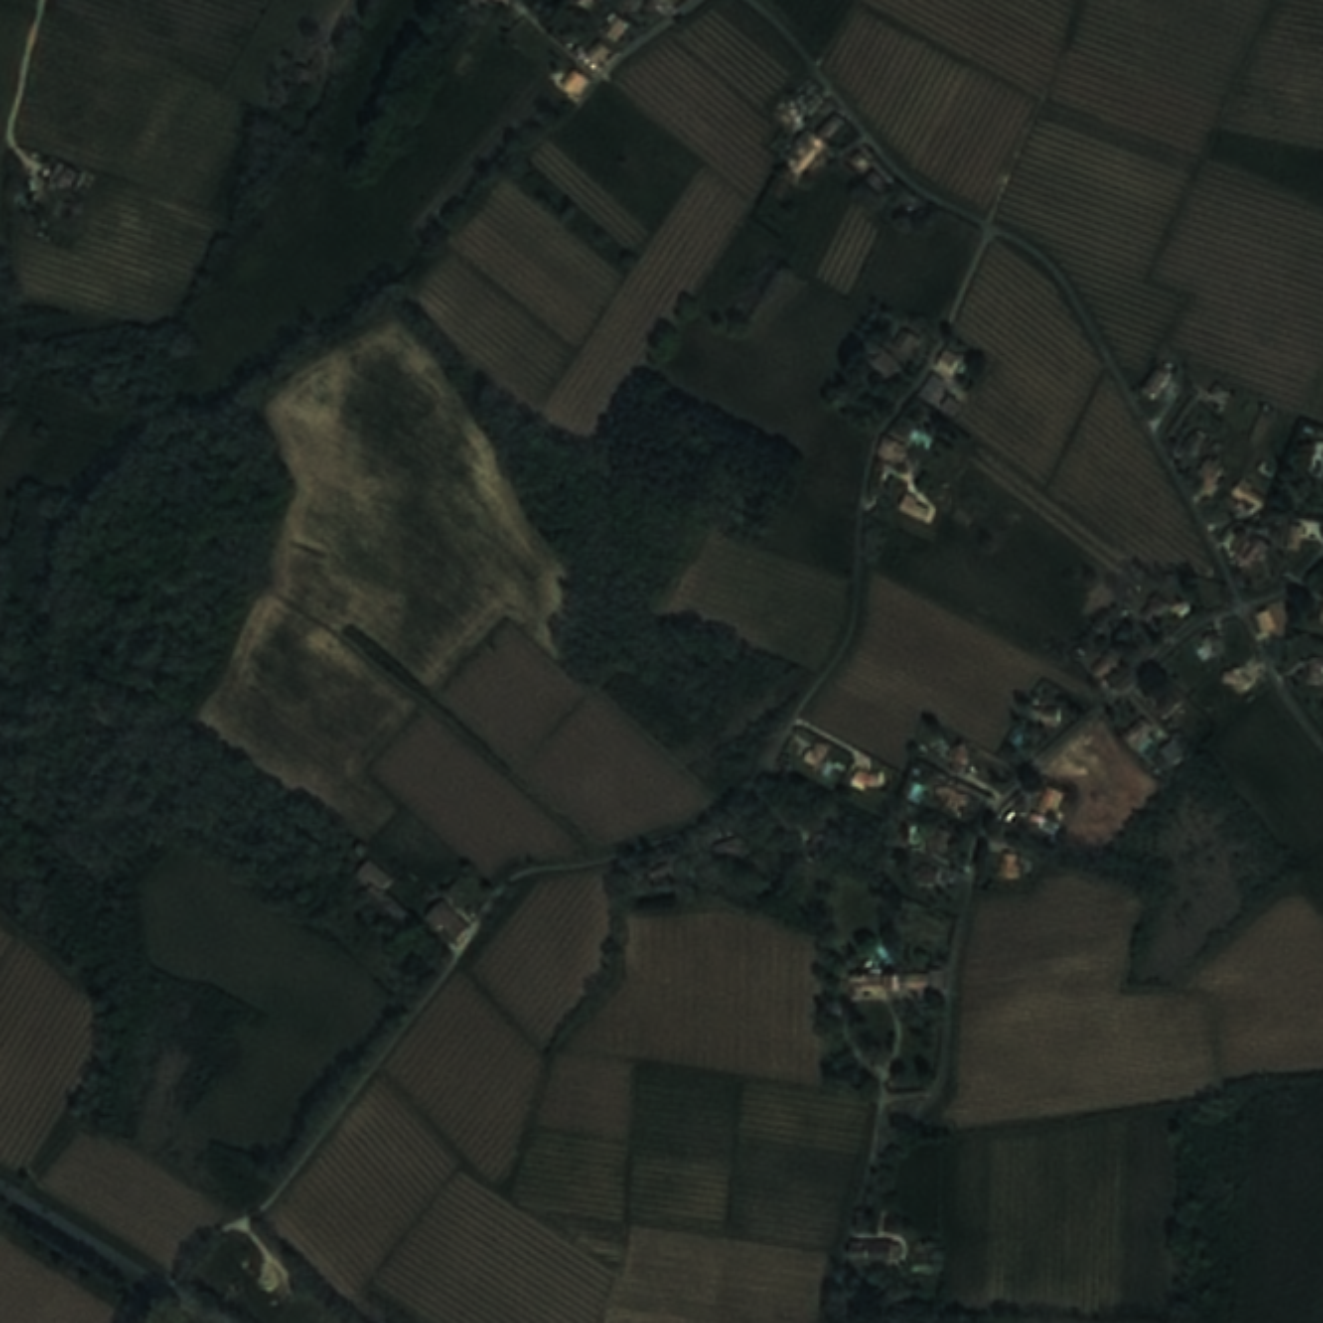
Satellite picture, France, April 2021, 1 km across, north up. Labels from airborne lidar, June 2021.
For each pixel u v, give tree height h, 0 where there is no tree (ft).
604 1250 0
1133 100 0
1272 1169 0
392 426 0
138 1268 0
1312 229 0
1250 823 20
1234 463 0
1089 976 0
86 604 79
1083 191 0
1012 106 0
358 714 0
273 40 0
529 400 0
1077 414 0
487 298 0
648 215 0
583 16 28
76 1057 0
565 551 65
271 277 0
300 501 0
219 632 60
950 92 0
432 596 0
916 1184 0
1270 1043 0
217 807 73
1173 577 41
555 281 0
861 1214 20
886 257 0
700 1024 0
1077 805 38
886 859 30
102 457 0
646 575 56
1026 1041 0
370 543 0
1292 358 0
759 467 67
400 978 31
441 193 0
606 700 0
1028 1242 0
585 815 0
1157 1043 0
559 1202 0
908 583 0
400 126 58
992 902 0
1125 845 18
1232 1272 21
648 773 0
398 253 0
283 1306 0
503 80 0
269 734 0
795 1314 0
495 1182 0
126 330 20
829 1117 0
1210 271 0
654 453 65
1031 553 0
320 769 0
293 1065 0
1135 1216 0
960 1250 0
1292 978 0
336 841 56
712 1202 0
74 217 44
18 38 0
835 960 48
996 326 0
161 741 80
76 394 24
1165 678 40
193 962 0
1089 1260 0
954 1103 0
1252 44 0
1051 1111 0
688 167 0
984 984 0
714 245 0
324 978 0
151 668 54
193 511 56
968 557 0
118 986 30
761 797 43
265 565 80
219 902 0
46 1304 0
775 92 0
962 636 0
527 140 28
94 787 44
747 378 0
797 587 0
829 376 0
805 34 0
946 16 0
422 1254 0
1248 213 0
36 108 0
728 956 0
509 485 52
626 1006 0
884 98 0
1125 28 0
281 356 20
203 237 0
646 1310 0
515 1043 0
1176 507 0
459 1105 0
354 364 0
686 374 0
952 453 27
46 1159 0
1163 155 0
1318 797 0
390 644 0
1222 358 0
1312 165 0
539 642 0
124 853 60
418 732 0
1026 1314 31
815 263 0
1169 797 22
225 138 0
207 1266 41
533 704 0
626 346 0
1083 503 0
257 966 0
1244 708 0
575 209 38
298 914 41
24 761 73
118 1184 0
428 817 0
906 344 0
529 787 0
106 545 52
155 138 0
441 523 0
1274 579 0
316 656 0
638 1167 0
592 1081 0
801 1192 0
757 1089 0
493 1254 0
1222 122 0
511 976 0
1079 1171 0
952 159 0
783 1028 0
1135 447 0
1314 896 0
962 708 0
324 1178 0
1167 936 0
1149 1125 0
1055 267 0
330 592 0
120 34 0
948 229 0
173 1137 0
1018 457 0
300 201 0
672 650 62
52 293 0
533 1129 0
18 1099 0
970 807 26
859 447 0
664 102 0
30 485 30
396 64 55
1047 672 0
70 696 49
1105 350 0
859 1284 59
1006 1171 0
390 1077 0
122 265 0
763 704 0
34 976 0
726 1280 0
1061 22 0
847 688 0
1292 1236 0
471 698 0
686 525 57
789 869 50
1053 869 32
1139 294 0
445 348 49
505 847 0
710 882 59
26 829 62
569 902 0
